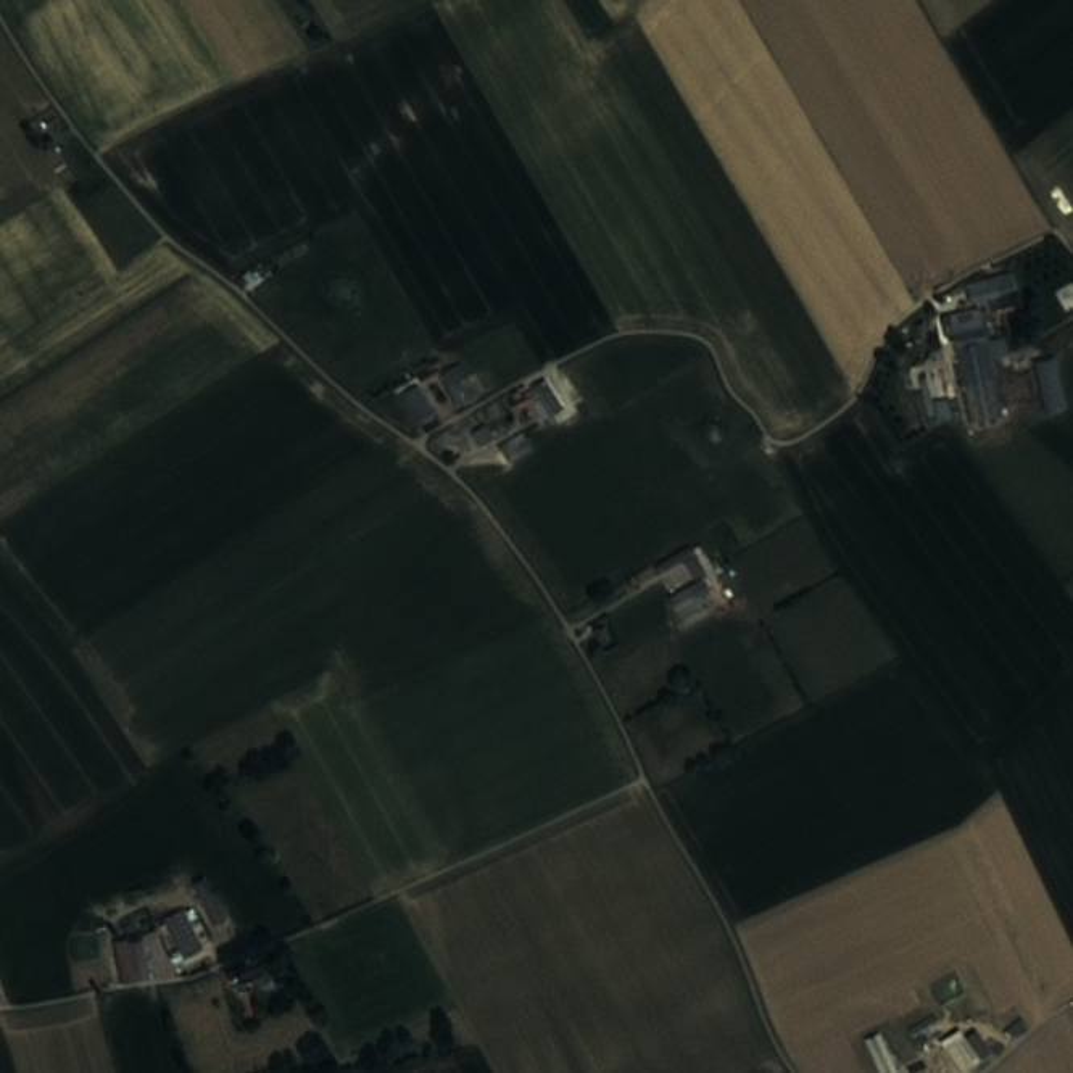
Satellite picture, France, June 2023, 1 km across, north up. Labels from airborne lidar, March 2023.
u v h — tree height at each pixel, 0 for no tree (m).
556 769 0
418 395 0
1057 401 0
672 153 0
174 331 0
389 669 0
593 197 0
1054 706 0
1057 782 0
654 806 0
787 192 0
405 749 0
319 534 0
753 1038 0
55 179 0
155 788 0
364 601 0
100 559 0
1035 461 0
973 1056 0
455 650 0
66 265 0
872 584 0
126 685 0
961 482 0
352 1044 0
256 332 0
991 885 0
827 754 0
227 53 0
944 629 0
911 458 0
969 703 0
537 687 0
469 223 0
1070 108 0
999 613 0
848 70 0
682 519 0
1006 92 0
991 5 0
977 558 0
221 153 0
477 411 0
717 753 14
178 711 0
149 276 0
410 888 0
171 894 0
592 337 0
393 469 0
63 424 0
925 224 0
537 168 0
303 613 0
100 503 0
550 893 0
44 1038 0
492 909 0
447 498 0
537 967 0
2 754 0
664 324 0
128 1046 0
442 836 0
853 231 0
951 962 0
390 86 0
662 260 0
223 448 0
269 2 0
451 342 0
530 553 0
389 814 0
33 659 0
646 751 0
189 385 0
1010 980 0
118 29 0
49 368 0
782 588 0
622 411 0
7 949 0
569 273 0
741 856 0
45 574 0
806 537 0
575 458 0
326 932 0
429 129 0
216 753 0
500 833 0
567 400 0
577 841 0
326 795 0
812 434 0
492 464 0
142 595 0
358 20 0
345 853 0
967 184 0
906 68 0
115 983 0
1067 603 0
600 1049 0
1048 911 0
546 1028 0
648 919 0
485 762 0
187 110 0
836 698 0
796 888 0
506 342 0
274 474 0
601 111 0
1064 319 0
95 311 0
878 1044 0
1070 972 0
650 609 0
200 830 0
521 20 0
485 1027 0
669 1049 0
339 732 0
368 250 0
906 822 0
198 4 0
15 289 0
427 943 0
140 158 0
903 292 0
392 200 0
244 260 0
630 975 0
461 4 0
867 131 0
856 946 0
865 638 0
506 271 0
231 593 0
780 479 0
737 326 0
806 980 0
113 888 0
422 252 0
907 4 0
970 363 0
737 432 0
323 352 0
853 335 0
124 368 0
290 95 0
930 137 0
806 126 0
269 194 0
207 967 9
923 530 0
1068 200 0
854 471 0
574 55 0
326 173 0
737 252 0
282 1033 0
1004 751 0
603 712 0
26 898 0
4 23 0
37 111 0
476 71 0
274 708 0
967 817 0
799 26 0
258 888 0
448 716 0
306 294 0
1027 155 0
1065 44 0
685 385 0
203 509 0
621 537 0
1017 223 0
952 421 0
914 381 0
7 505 0
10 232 0
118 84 0
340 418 0
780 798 0
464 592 0
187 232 0
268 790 0
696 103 0
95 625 0
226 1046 0
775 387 0
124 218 0
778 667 0
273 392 0
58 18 0
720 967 0
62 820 0
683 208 0
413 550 0
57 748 0
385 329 0
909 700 0
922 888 0
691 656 0
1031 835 0
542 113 0
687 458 0
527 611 0
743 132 0
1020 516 0
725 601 0
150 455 0
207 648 0
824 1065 0
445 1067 0
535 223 0
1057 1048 0
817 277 0
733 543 0
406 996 0
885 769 0
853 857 0
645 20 0
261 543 0
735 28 0
